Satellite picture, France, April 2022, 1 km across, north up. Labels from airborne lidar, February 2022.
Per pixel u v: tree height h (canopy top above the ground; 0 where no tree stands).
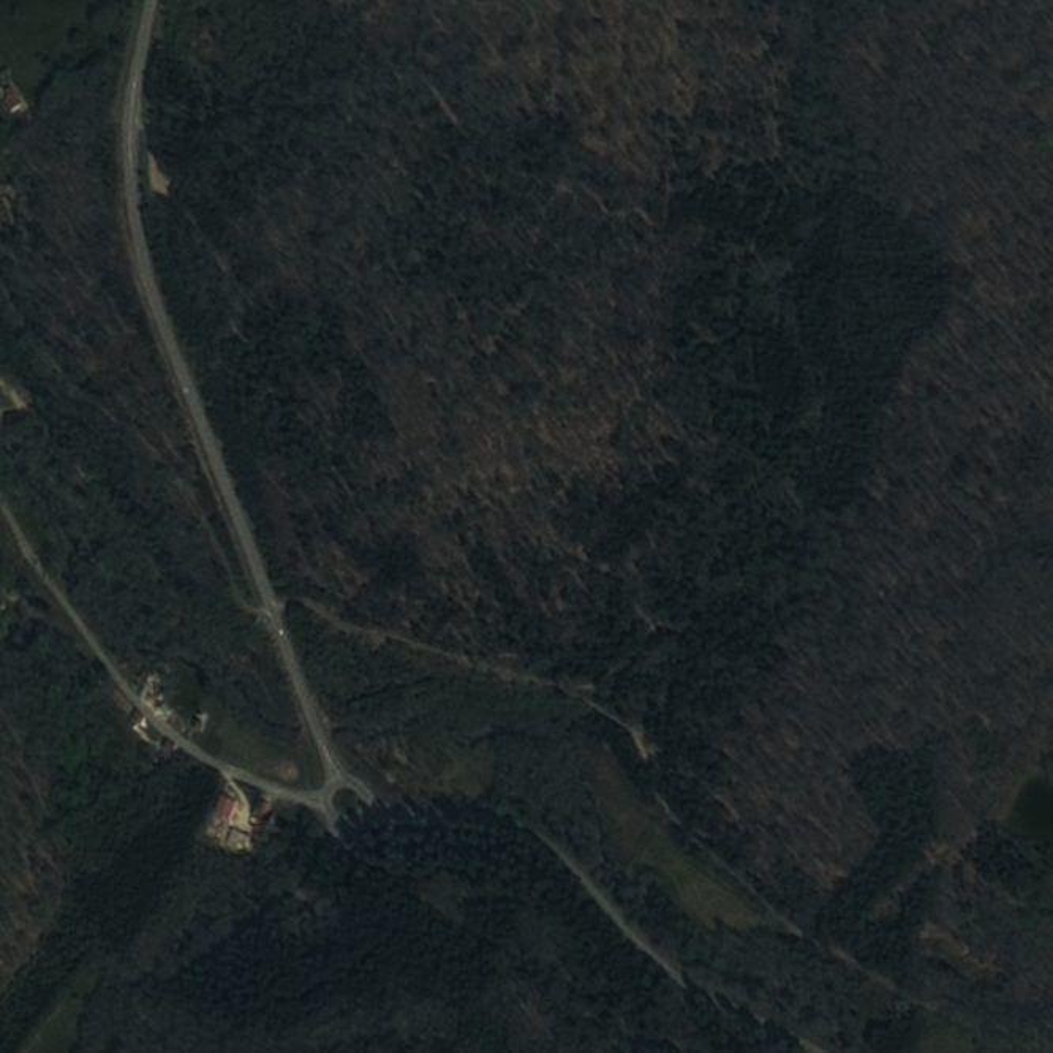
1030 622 34
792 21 25
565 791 16
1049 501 33
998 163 27
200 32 8
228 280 23
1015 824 0
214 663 28
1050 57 29
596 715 11
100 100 27
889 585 31
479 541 26
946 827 25
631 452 33
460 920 19
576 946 25
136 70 0
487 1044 19
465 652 25
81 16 0
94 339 31
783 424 23
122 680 0
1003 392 27
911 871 31
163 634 25
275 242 30
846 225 21
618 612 34
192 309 9
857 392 20
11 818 34
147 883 12
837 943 23
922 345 24
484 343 23
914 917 27
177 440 26
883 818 21
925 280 21
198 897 22
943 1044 0
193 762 11
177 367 0
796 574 31
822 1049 0
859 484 27
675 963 22
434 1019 26
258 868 18
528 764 17
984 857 13
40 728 23
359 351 27
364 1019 27
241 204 23
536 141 18
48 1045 0
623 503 25
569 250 33
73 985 13
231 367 13
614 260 34
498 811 21
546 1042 25
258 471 9
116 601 31
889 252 20
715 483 27
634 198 32
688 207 21
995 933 29
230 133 27
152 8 0
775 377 26
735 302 29
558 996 31
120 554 24
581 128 18
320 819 13
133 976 22
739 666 29
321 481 26
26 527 0
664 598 36
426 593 26
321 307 29
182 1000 27
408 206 29
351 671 9
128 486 24
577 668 26
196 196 24
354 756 13
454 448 25
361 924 18
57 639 30
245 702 16
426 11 23
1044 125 26
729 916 0
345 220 9
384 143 29
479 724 19
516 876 35
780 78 29
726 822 27
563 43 15
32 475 25
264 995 25
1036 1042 28
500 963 20
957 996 29
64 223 22
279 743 16
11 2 0
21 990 10
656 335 32
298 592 12
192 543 28
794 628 27
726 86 29
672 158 29
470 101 30
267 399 28
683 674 30
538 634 26
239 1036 24
